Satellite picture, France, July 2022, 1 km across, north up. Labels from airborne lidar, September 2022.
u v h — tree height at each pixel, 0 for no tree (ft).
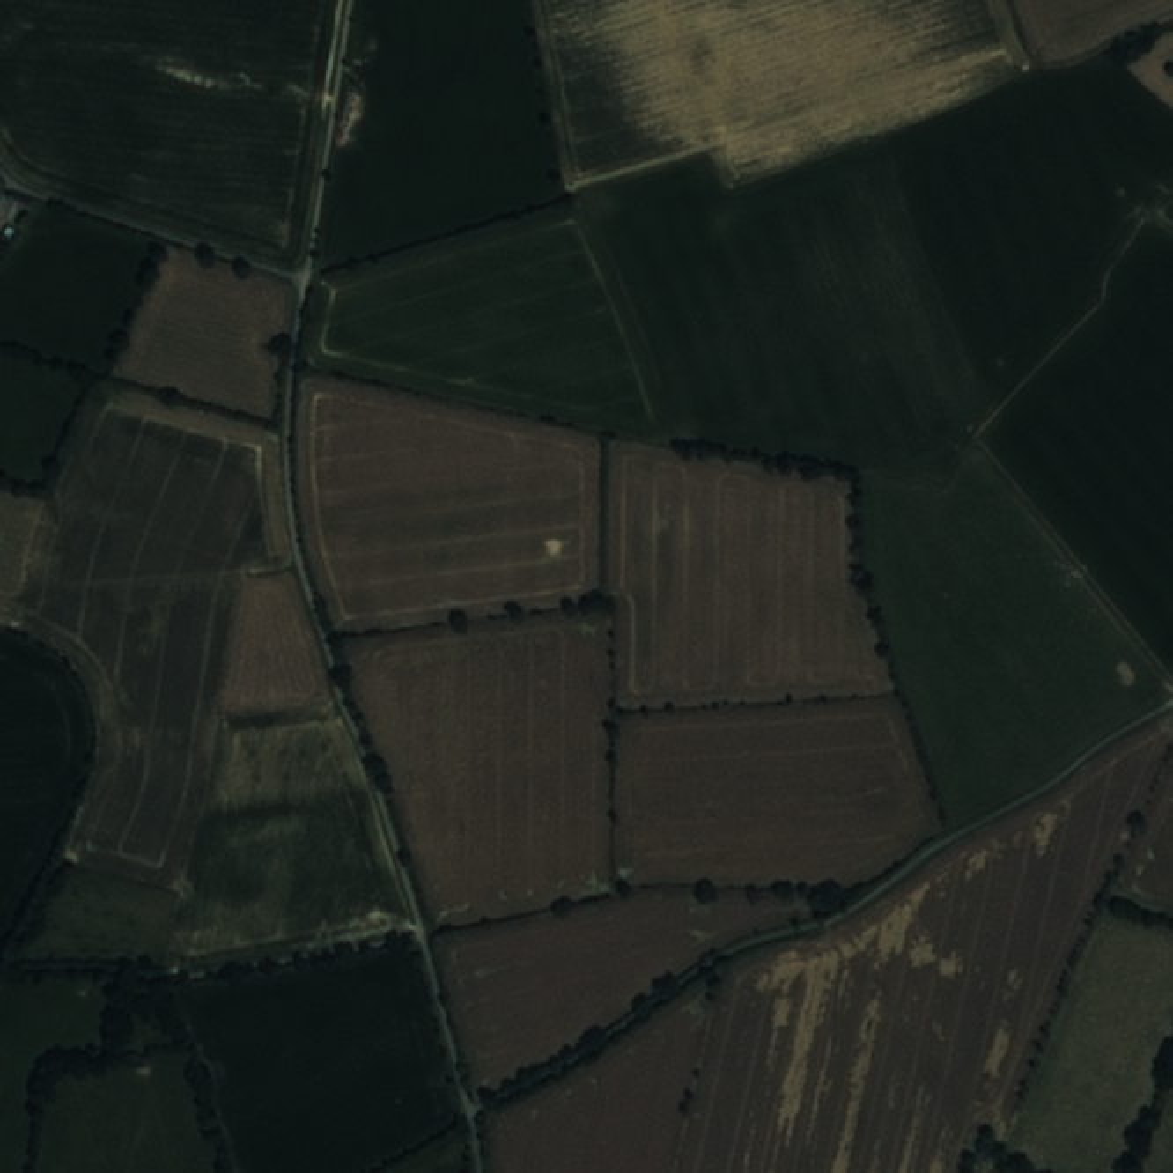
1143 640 0
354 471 0
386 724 0
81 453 0
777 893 47
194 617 0
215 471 0
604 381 0
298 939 0
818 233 0
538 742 0
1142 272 0
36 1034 0
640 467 0
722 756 0
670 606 0
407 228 0
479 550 0
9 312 0
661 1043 0
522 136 0
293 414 20
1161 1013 0
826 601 0
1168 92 0
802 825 0
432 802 0
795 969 0
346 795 0
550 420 22
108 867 0
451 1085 31
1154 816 0
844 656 0
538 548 0
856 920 0
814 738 0
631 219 0
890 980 0
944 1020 0
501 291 0
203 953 0
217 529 0
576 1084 0
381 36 0
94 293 0
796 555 0
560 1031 0
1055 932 0
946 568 0
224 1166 52
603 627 0
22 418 0
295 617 0
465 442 0
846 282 0
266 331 0
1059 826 0
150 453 0
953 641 0
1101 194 0
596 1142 0
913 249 0
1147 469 0
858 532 44
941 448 0
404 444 0
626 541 0
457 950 0
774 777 0
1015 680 0
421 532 0
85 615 0
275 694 0
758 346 0
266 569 0
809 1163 0
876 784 0
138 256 0
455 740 0
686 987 21
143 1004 26
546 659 0
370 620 0
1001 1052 0
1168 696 0
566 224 0
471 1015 0
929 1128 0
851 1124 0
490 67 0
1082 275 0
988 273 0
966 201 0
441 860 0
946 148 0
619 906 0
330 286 0
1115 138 0
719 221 0
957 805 0
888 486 0
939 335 0
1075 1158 0
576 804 0
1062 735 0
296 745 0
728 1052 0
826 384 0
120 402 0
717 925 0
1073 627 0
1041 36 0
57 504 0
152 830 0
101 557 0
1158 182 0
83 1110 0
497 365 0
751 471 0
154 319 0
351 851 0
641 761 0
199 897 0
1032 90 0
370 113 0
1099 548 0
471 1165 27
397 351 0
